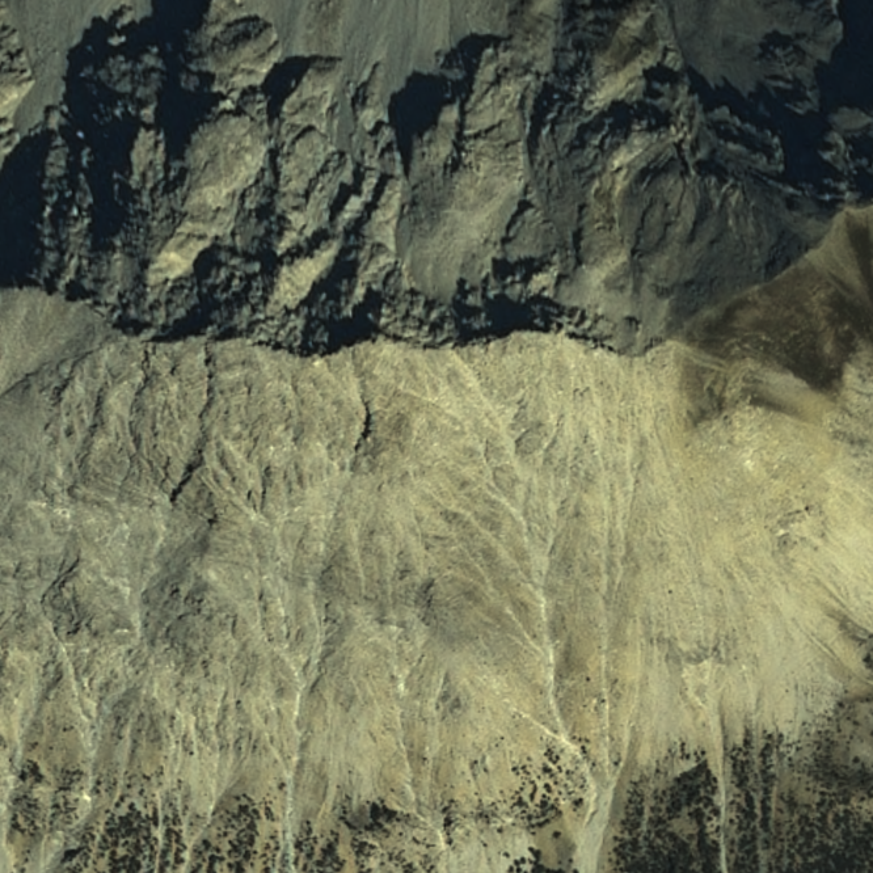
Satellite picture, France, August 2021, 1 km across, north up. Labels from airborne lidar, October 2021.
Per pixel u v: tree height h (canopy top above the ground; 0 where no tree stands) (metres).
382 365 0
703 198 0
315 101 0
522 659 0
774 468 0
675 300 0
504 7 0
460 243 0
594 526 0
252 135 0
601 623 0
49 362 0
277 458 0
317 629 0
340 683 0
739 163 0
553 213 0
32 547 0
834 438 0
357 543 0
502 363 0
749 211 0
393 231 0
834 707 0
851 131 0
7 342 0
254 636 0
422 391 0
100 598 0
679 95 0
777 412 0
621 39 0
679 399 0
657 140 0
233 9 0
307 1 0
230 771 0
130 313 0
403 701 0
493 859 0
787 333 0
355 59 0
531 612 0
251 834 7
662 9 0
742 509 0
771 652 0
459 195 0
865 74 0
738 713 0
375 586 0
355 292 0
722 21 0
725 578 0
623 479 0
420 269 0
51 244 0
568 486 0
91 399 0
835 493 0
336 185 0
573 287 0
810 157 0
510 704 0
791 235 0
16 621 0
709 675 0
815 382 0
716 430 0
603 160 0
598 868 0
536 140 0
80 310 0
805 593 0
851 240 0
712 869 6
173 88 0
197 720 0
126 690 0
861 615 0
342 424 0
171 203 0
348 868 0
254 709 0
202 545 0
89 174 0
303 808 0
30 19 0
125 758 0
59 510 0
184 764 0
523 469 0
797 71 0
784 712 0
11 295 0
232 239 0
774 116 0
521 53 0
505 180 0
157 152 0
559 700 0
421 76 0
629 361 0
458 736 0
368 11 0
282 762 0
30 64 0
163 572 0
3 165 0
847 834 7
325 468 0
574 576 0
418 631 0
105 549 0
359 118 0
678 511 0
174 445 0
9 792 0
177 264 0
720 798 0
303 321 0
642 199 0
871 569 0
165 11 0
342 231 0
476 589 0
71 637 6
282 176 6
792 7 0
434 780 0
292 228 7
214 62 0
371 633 0
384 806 6
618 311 0
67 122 0
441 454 0
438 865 0
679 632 0
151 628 0
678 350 0
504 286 0
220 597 0
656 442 0
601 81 0
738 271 0
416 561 0
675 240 0
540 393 0
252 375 0
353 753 0
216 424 0
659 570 0
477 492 0
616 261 0
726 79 0
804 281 0
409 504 0
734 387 0
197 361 0
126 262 0
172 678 0
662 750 0
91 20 0
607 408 0
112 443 9
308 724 0
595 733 0
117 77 0
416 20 0
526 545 0
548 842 0
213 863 6
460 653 0
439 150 0
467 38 0
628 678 0
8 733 0
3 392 0
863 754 0
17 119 0
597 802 0
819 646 0
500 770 0
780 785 0
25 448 0
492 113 0
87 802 0
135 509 0
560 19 0
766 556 0
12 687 0
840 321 0
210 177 0
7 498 0
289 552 0
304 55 0
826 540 0
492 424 0
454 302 0
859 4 0
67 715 0
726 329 0
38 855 0
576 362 0
